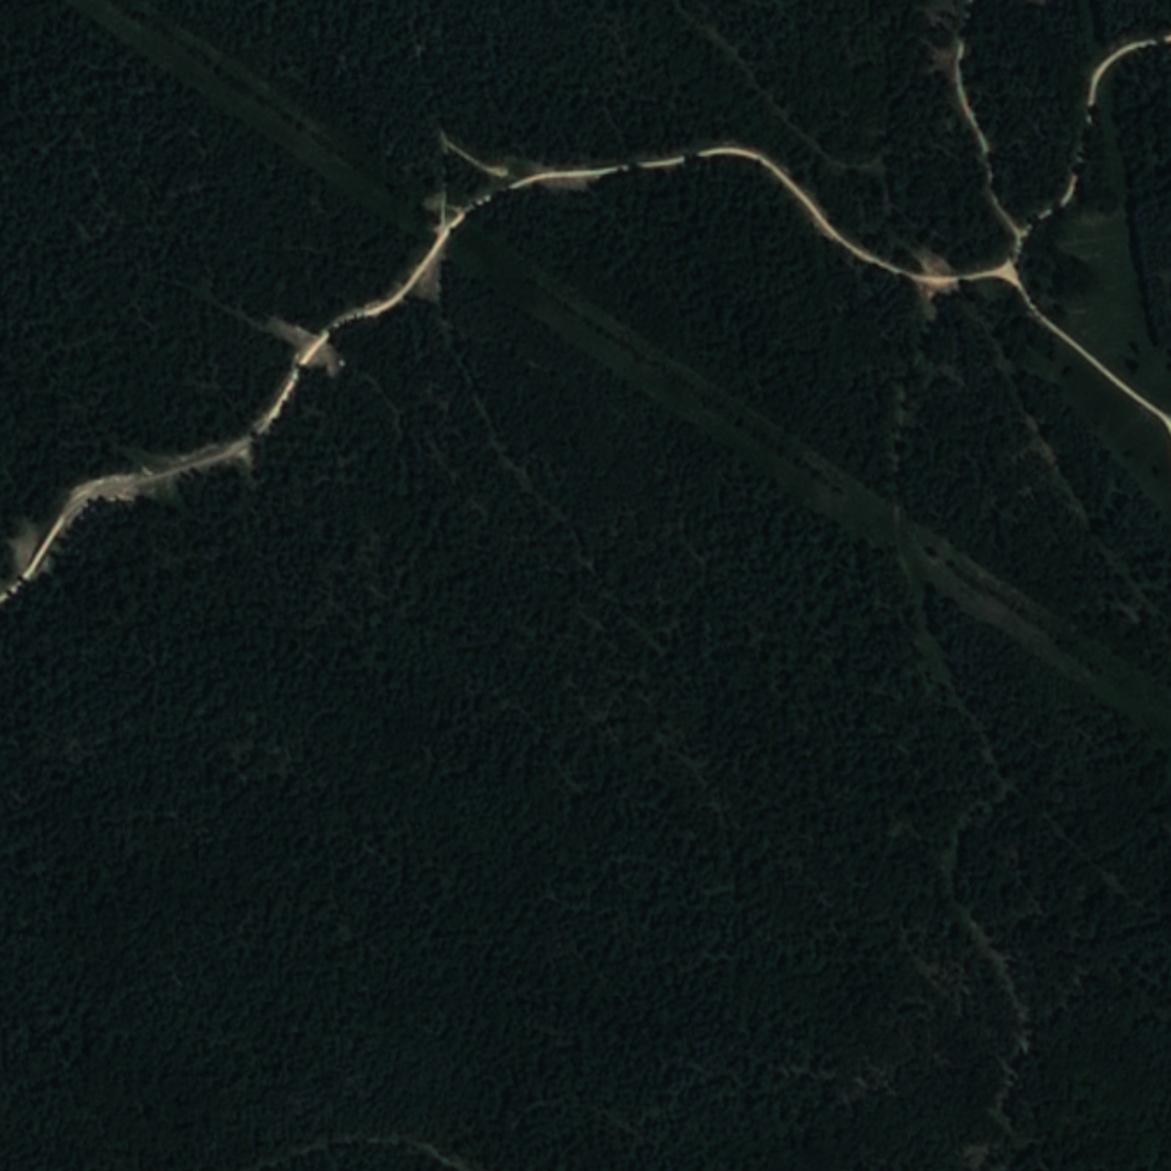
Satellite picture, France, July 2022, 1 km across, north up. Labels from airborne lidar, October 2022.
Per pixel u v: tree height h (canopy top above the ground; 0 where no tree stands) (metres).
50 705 19
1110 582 26
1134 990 11
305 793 14
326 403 11
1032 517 18
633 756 16
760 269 18
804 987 13
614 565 15
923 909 20
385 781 13
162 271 19
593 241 6
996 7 22
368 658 19
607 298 15
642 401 17
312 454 8
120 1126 14
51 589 26
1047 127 18
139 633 8
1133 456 8
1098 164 22
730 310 18
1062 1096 26
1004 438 21
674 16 21
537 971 14
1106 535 28
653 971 10
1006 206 14
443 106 17
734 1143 13
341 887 15
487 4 19
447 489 20
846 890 10
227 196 12
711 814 9
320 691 17
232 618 13
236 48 12
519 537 14
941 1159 16
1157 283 24
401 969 12
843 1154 18
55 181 15
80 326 13
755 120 24
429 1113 16
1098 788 17
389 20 8
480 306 11
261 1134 12
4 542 24
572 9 15
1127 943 25
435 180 15
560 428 15
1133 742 28
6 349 21
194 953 8
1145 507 25
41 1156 17
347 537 7
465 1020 16
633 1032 18
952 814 18
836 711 15
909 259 22
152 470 0
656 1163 17
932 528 16
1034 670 19
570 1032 24
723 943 10
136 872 20
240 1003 12
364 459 8
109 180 13
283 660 16
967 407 17
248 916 14
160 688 14
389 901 18
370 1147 12
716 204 14
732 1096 21
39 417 22
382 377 14
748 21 13
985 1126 27
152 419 9
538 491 10
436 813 15
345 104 18
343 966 18
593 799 18
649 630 6
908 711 8
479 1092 14
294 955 13
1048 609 19
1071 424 22
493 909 14
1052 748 17
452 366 21
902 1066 17
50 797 23
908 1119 22
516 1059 14
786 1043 20
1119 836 20
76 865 21
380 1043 6
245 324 7
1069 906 28
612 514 11
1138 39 7
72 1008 19
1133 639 25
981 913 23
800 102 19
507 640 20
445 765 12
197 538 18
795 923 17
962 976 18
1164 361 0
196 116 20
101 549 21
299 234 10
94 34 18
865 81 22
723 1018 18
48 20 14
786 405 10
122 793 17
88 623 17
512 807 11
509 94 8
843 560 7
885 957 15
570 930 13
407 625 9
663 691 8
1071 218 21
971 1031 24
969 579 11
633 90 8
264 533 10
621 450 10
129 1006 14
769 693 16
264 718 8
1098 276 25
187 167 16
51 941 17
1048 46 25
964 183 18
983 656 17
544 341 14
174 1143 13
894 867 15
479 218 21
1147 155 20
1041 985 24
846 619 20
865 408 15
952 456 19
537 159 18
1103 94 0
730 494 20
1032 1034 17
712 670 19
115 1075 12
